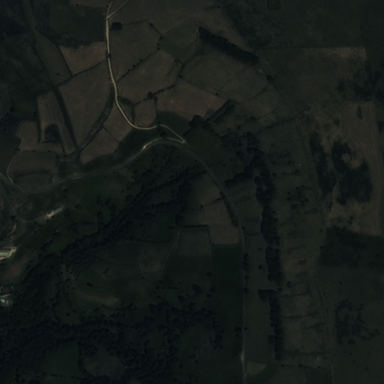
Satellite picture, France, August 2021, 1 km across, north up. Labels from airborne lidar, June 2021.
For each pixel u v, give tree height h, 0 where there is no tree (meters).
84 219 0
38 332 29
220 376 0
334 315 0
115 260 0
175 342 13
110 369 0
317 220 0
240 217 0
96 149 0
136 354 12
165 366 15
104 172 0
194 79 0
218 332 10
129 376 17
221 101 0
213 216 0
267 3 0
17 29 0
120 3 0
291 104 0
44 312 7
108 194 0
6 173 0
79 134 0
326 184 0
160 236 0
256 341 0
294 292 0
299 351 0
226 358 0
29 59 0
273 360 0
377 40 0
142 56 0
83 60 0
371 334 0
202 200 0
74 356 0
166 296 0
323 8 0
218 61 0
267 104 0
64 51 0
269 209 12
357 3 0
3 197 0
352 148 0
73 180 0
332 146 0
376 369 0
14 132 0
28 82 0
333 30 0
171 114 0
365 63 0
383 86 0
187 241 0
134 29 0
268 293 12
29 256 0
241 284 0
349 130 0
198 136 0
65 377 0
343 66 0
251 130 0
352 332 0
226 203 6
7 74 0
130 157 0
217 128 0
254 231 0
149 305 0
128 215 15
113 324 16
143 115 0
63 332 21
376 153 0
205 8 0
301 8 0
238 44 0
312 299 0
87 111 0
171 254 0
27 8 0
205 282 0
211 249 0
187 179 15
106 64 0
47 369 0
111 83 0
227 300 0
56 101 0
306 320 0
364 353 0
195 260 0
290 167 0
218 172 0
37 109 0
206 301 0
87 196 0
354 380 0
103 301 0
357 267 0
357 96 0
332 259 0
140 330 15
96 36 0
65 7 0
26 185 0
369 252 0
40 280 30
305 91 0
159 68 0
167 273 0
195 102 0
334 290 0
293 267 0
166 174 0
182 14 0
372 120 0
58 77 0
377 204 0
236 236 0
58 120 0
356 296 0
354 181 0
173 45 0
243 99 0
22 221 0
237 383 0
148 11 0
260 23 0
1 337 8
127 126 0
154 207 11
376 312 0
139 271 0
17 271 0
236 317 0
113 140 0
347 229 0
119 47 0
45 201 0
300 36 0
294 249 0
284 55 0
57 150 0
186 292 0
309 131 0
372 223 0
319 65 0
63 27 0
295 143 0
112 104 0
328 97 0
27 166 0
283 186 0
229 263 0
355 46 0
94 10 0
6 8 0
